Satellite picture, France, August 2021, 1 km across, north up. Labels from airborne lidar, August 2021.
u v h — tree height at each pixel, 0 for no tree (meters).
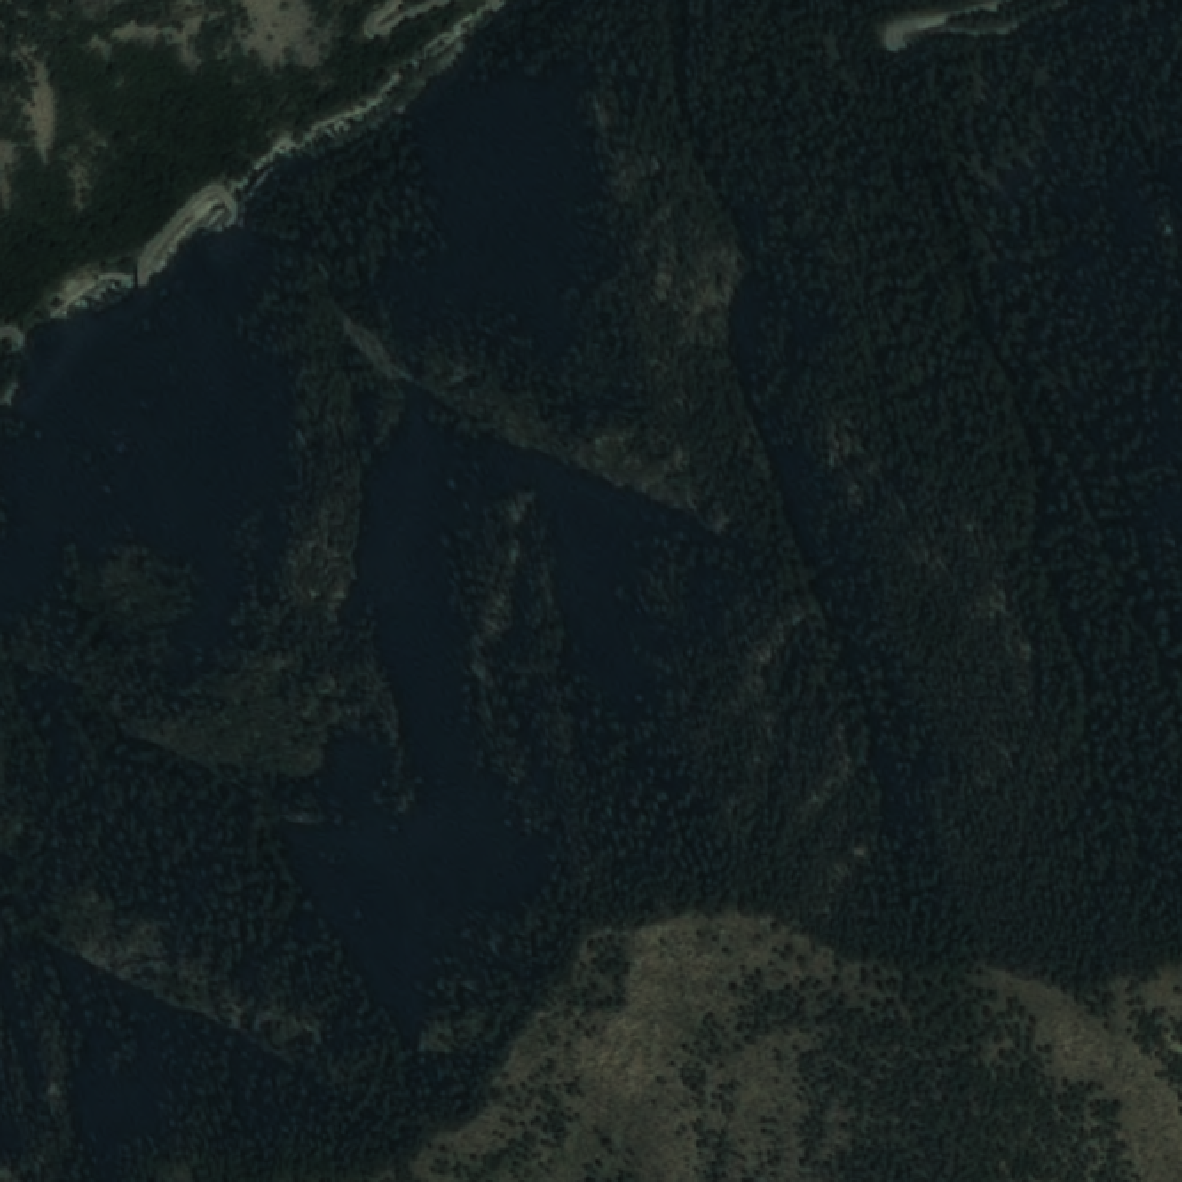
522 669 11
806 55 9
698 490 6
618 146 6
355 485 9
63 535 41
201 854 7
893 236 28
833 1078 14
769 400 9
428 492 8
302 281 19
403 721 10
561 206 20
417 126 11
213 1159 13
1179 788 21
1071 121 27
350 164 15
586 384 6
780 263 11
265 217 16
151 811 10
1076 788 14
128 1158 14
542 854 12
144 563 7
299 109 6
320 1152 17
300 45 0
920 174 12
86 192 10
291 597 7
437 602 9
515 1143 13
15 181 6
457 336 15
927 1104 11
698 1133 13
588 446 9
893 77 20
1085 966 19
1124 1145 8
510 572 13
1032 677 6
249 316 8
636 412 7
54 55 8
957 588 9
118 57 6
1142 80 8
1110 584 18
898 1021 14
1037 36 14
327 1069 10
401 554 0
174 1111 13
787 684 9
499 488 12
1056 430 8
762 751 12
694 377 12
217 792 7
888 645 12
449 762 8
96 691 10
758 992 17
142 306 8
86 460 17
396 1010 23
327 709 7
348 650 12
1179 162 16
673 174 6
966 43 16
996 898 17
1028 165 0
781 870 11
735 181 9
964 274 10
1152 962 13
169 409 11
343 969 27
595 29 9
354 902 11
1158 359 21
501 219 7
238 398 23
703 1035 15
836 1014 15
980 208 12
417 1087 20
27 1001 12
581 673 13
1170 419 11
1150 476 17
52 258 10
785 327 21
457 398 7
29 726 7
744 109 14
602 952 12
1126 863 20
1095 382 22
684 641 9
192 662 17
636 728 23
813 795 10
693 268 9
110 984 14
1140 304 21
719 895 15
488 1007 9
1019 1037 12
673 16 15
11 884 11
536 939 21
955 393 33
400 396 7
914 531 13
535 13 16
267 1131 22
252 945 18
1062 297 24
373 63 14
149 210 11
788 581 15
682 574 16
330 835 8
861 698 11
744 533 8
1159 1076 12
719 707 13
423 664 9
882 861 21
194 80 7
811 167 18
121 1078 11
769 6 16
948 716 12
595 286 6
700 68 29
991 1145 13
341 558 10
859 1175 12
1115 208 18
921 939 26
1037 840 15
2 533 22
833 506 23
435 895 9
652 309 9
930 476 22
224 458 11
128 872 13
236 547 9
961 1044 17
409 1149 14
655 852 16
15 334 0
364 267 11
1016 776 14
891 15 11
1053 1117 10
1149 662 28
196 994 6
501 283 7
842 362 21
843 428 11
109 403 10
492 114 14
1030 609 28
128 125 7
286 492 10
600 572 11
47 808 12
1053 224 27
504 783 14
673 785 19
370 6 15
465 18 0
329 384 9
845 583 12
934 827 13
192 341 7
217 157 13
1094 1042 6
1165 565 14
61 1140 17
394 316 7
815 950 9
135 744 10
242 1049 21
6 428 23
